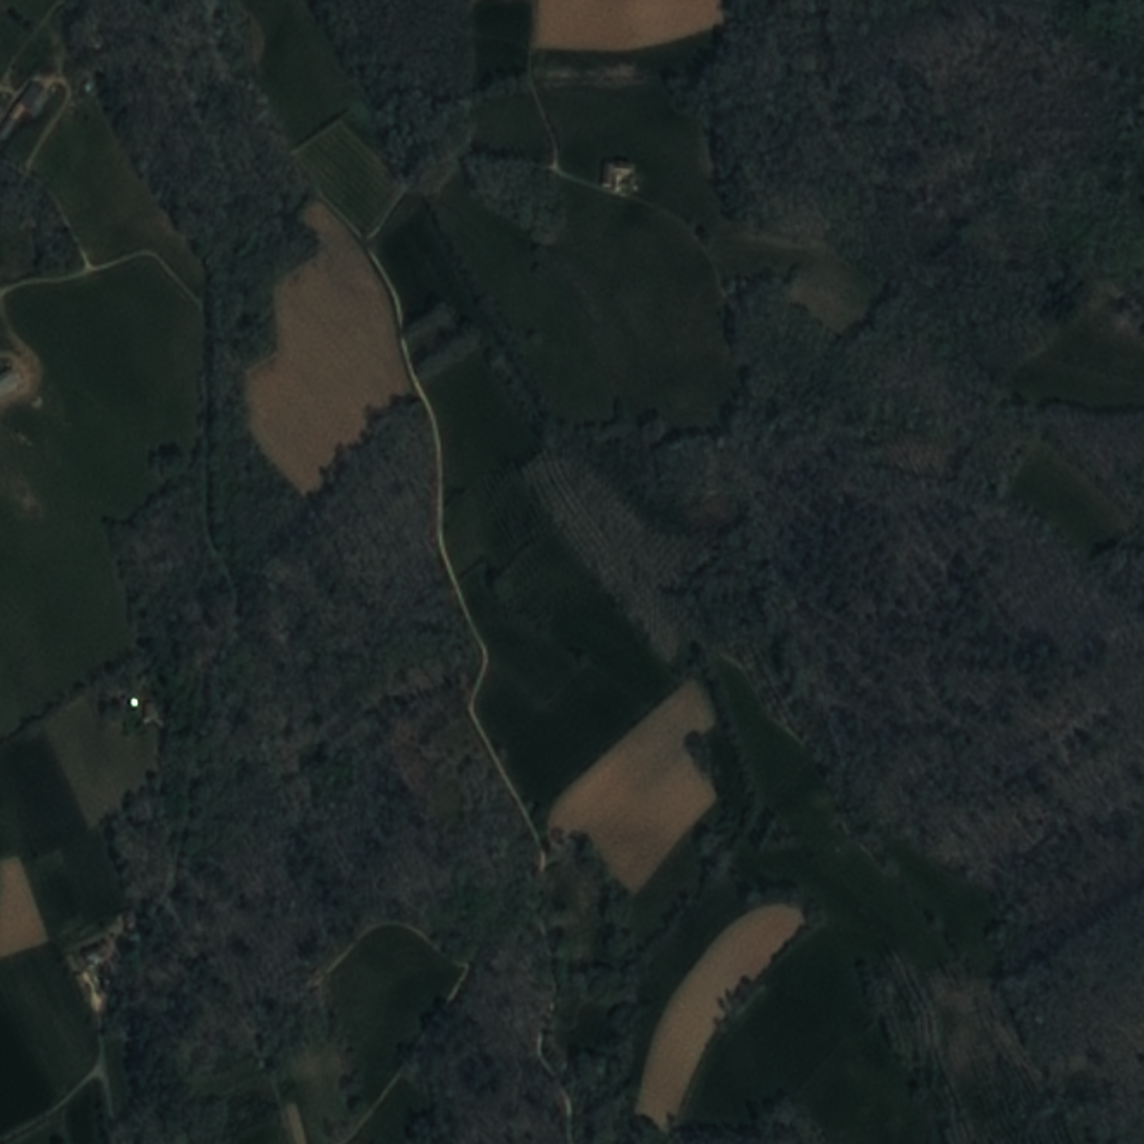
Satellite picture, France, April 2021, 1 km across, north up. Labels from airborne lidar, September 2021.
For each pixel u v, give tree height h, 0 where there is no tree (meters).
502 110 0
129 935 7
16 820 0
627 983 14
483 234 0
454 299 0
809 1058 0
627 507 22
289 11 0
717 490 19
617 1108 22
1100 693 15
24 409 0
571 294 0
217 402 20
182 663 25
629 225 0
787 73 21
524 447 0
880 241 20
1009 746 15
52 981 0
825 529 29
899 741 29
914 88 26
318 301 0
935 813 20
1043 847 20
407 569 19
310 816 18
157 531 15
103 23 13
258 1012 22
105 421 0
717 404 0
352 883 18
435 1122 12
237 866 18
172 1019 19
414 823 14
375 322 0
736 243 0
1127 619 20
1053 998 24
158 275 0
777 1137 8
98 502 0
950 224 8
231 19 18
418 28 18
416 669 26
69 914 0
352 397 0
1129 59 5
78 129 0
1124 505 13
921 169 34
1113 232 23
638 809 0
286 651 15
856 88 18
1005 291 27
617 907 17
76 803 0
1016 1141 20
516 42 0
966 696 21
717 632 21
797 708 10
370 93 18
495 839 17
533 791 0
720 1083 0
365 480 16
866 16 24
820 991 0
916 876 0
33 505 0
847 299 0
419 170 27
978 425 21
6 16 0
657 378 0
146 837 21
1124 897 12
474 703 0
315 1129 0
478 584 0
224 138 24
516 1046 17
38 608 0
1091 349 0
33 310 0
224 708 22
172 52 21
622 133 0
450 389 0
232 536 18
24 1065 0
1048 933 9
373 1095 0
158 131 25
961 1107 23
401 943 0
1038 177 20
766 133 24
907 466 21
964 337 22
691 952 0
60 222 18
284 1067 18
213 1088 0
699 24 0
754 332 19
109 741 0
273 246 26
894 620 17
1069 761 16
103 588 0
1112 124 7
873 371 22
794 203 20
